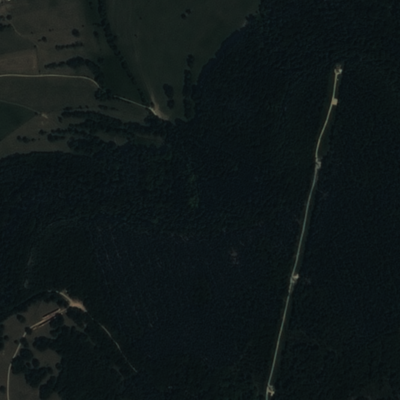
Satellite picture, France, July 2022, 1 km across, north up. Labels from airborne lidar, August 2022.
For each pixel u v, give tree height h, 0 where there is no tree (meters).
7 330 0
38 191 35
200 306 22
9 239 25
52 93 0
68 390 12
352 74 17
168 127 20
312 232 18
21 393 0
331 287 14
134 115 0
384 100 16
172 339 21
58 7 0
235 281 17
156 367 20
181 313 22
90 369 18
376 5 30
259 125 28
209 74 26
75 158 16
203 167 13
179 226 17
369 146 16
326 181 17
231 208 25
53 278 7
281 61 19
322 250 23
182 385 15
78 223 10
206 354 22
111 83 0
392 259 16
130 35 0
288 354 8
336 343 19
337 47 29
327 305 12
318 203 20
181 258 21
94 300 18
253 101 26
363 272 16
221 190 26
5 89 0
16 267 24
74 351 13
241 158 21
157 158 20
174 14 0
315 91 16
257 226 21
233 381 21
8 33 0
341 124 10
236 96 27
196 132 25
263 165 19
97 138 11
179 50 0
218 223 23
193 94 21
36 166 9
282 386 6
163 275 17
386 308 16
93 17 0
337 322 13
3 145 0
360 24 31
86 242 18
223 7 0
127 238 20
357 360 15
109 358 22
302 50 30
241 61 26
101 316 16
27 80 0
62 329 12
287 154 10
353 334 11
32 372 10
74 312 13
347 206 20
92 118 13
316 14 33
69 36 0
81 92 0
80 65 10
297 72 21
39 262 10
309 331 17
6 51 0
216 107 24
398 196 23
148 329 16
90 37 0
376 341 15
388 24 39
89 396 14
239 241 21
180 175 11
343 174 19
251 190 22
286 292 12
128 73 8
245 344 15
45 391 17
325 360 13
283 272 14
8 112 0
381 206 21
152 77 0
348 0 25
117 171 12
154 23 0
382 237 16
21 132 0
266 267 18
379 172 10
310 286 17
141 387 13
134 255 21
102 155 24
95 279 16
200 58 0
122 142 0
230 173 20
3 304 29
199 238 16
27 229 28
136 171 36
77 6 0
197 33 0
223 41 0
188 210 24
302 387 13
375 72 11
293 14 29
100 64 7
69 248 13
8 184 17
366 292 19
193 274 21
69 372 10
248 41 25
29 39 0
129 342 16
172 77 0
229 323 16
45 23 0
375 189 16
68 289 11
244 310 16
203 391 15
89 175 20
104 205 28
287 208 16
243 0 0
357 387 13
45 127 0
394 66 32
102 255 21
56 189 22
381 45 28
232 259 21
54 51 0
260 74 29
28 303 13
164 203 32
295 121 12
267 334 15
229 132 26
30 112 0
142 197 18
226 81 25
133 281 18
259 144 31
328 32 30
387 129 15
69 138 0
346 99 14
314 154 8
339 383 13
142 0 0
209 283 20
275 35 21
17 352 0
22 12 0
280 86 27
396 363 16
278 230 23
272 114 23
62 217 23
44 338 9
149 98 0
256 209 29
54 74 0
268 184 29
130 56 0
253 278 13
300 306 12
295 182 18
